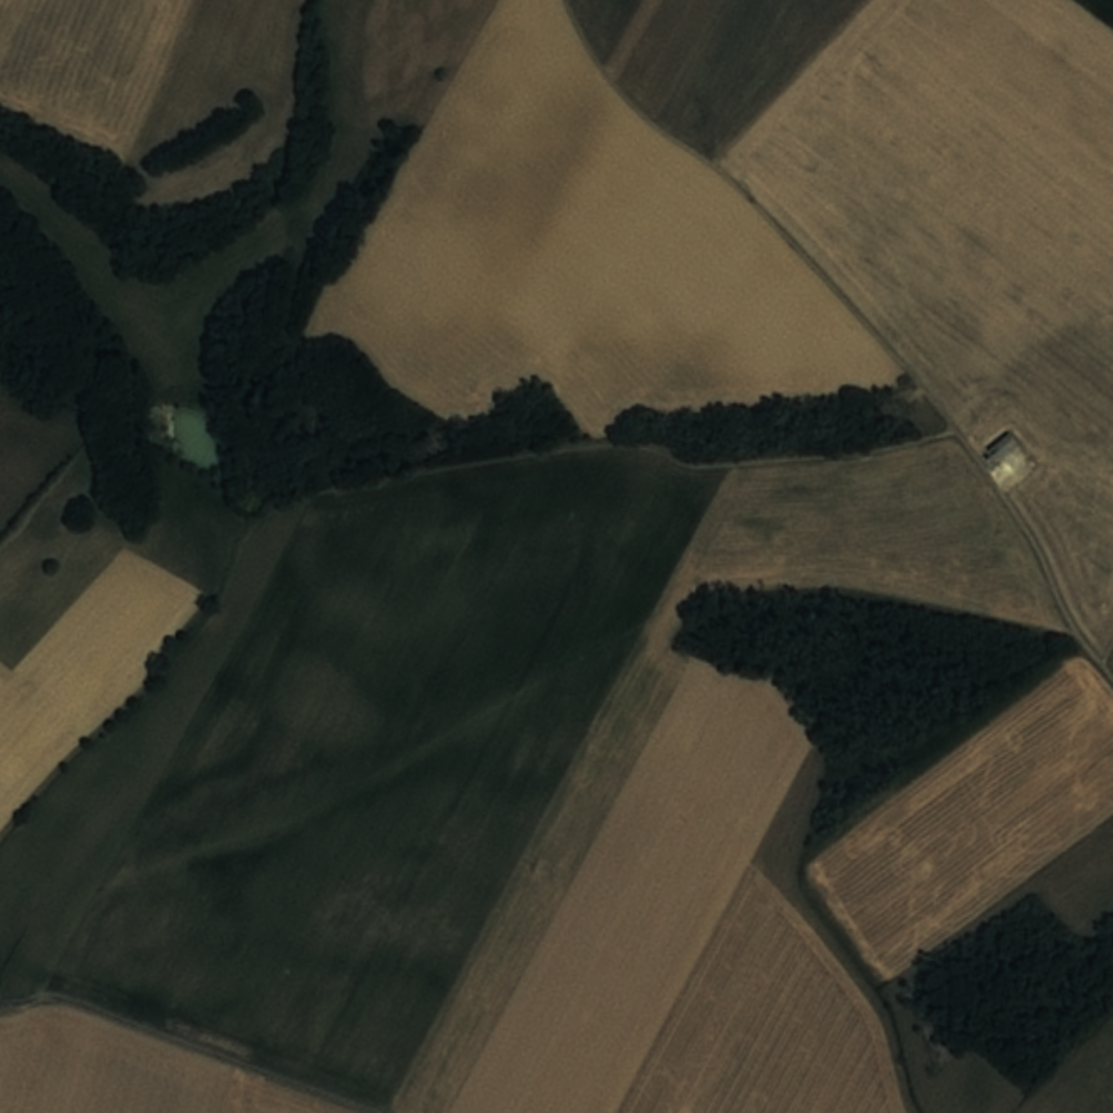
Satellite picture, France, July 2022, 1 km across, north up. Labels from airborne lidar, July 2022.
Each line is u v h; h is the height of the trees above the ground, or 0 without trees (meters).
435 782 0
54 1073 0
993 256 0
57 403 22
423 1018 0
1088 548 0
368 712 0
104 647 0
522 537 0
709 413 14
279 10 0
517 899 0
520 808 0
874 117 0
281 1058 0
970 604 0
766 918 0
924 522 0
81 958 0
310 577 0
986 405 0
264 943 0
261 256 0
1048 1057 15
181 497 0
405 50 0
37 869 0
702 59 0
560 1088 0
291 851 0
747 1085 0
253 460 13
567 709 0
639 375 0
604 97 0
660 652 0
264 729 0
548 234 0
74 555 0
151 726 0
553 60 0
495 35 0
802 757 0
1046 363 0
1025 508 0
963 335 0
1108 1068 0
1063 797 0
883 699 17
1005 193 0
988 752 0
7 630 0
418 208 0
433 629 0
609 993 0
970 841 0
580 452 0
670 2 0
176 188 0
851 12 0
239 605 0
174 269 22
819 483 0
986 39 0
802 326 0
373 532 0
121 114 0
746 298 0
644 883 0
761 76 0
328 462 18
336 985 0
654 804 0
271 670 0
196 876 0
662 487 0
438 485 0
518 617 0
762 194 0
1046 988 20
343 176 0
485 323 0
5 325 27
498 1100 0
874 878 0
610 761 0
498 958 0
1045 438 0
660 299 0
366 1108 0
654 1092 0
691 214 0
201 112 0
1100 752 0
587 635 0
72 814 0
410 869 0
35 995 0
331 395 16
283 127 0
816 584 0
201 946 0
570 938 0
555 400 7
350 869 0
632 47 0
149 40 0
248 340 26
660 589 0
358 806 0
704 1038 0
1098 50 0
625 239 0
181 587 0
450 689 0
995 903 0
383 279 0
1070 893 0
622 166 0
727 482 0
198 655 0
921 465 0
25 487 0
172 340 0
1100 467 0
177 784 0
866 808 25
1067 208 0
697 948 0
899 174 0
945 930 0
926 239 0
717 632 11
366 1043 0
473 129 0
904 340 0
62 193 21
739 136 0
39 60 0
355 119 0
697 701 0
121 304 0
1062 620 0
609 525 0
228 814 0
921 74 0
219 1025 0
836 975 0
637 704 0
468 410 0
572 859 0
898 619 17
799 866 0
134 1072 0
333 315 0
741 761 0
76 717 0
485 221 0
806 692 20
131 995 0
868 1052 0
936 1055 0
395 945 0
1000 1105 0
